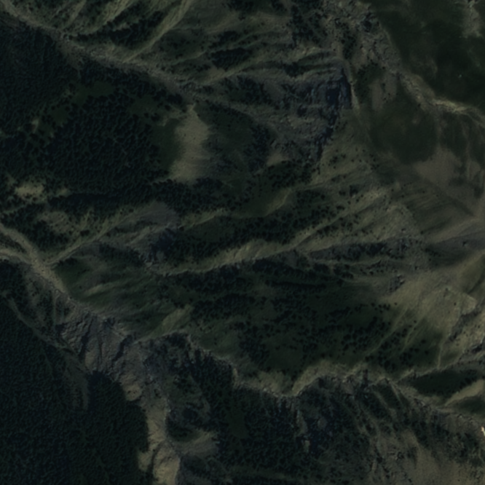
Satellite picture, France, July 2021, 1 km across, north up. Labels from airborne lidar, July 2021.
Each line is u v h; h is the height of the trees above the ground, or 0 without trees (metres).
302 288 20
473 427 0
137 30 20
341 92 0
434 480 0
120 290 0
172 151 0
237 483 14
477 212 0
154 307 0
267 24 0
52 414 16
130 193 24
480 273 0
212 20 0
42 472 13
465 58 0
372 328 16
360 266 0
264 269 12
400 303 0
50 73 25
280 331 11
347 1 0
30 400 10
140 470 14
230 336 0
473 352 0
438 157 0
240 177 0
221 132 0
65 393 12
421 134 0
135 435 25
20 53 25
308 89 0
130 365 0
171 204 9
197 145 0
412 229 0
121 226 0
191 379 0
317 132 0
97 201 20
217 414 13
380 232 0
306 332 12
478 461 0
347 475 0
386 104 0
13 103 25
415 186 0
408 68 0
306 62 0
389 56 0
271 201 0
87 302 0
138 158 18
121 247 0
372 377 0
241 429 0
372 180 0
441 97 0
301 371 7
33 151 24
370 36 0
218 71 0
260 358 20
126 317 0
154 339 0
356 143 0
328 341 15
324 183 0
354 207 0
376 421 0
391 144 0
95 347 0
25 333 16
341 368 0
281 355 0
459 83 0
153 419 0
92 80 20
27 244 0
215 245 10
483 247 0
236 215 0
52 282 0
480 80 0
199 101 7
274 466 14
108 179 16
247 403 8
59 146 28
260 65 0
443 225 0
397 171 0
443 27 0
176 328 0
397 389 0
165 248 8
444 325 0
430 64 0
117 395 26
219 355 0
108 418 29
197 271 0
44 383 15
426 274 0
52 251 0
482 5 0
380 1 0
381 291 0
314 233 0
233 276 22
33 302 0
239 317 0
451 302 0
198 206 9
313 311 11
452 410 0
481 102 0
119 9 0
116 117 23
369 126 0
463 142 0
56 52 24
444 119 0
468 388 0
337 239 0
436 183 0
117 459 27
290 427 12
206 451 0
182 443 0
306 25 8
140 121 15
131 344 0
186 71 6
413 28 0
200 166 0
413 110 0
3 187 19
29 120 18
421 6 0
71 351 11
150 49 0
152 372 0
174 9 0
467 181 0
